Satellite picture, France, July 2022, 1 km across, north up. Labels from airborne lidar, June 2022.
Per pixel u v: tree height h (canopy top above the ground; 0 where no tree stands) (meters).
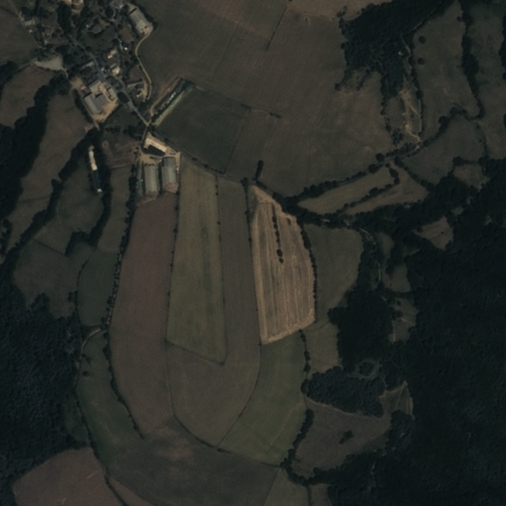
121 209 0
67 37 8
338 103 0
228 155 0
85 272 0
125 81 9
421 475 19
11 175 31
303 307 0
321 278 0
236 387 0
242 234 0
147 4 0
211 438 0
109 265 0
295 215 15
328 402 14
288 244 0
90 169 7
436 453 13
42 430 19
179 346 0
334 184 13
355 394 9
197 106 0
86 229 0
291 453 12
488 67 0
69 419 0
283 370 0
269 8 0
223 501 0
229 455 0
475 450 16
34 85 0
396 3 19
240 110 0
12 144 7
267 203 0
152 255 0
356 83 0
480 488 27
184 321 0
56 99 0
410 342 13
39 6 16
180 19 0
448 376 24
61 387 15
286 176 0
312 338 0
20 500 0
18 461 18
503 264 21
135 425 7
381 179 0
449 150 0
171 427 0
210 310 0
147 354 0
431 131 0
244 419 0
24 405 15
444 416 14
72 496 0
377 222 21
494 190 21
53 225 0
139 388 0
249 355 0
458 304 23
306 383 10
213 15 0
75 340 12
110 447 0
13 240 0
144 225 0
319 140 0
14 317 19
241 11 0
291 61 0
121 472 0
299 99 0
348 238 0
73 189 0
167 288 0
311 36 0
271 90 0
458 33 0
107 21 7
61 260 0
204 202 0
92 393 0
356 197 0
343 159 0
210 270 0
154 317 0
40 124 25
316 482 14
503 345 23
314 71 0
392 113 0
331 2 0
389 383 13
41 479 0
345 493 22
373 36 19
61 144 0
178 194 7
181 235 0
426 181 11
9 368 15
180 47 0
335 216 12
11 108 0
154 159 0
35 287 0
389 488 18
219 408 0
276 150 0
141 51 0
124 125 0
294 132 0
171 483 0
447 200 24
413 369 18
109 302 12
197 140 0
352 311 20
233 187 0
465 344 17
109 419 0
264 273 0
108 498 0
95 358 0
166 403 0
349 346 17
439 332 15
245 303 0
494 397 18
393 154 7
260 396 0
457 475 14
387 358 16
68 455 0
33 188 0
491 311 23
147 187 0
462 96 0
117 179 0
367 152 0
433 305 25
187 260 0
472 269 26
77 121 0
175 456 0
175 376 0
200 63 0
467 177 0
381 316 17
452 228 10
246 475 0
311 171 0
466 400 18
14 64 23
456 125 0
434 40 0
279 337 0
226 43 0
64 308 0
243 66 0
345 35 17
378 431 0
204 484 0
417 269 17
